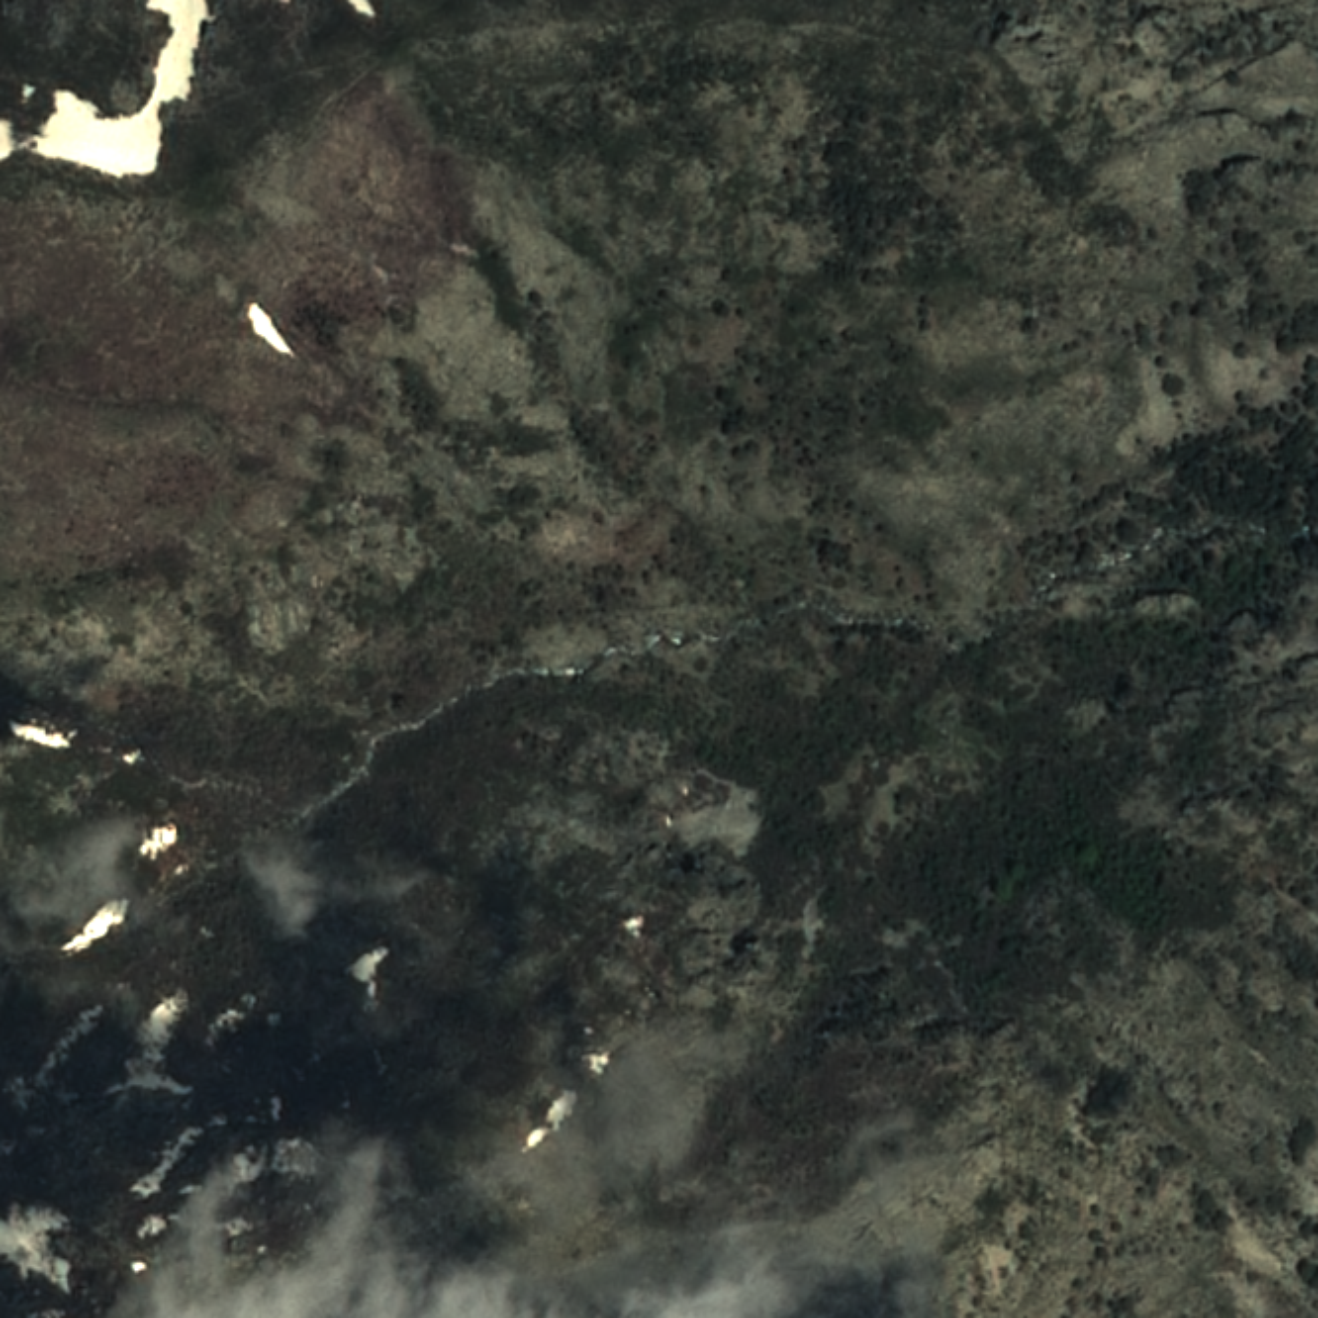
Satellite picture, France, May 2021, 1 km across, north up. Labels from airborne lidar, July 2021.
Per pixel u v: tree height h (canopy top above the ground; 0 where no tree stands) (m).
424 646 7
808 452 11
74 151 0
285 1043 8
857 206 14
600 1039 0
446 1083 0
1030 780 10
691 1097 0
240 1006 8
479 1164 0
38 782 0
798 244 0
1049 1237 0
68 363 0
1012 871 10
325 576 0
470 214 0
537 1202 0
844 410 11
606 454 11
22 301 0
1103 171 0
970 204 0
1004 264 0
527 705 6
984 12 0
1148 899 7
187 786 7
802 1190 6
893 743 6
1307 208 0
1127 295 0
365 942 0
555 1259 0
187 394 0
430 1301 17
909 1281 0
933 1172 0
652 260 0
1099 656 6
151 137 0
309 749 8
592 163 0
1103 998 0
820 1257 0
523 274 0
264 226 0
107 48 0
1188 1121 15
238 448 0
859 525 0
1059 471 0
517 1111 0
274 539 0
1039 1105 0
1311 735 0
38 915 0
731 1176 0
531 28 0
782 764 10
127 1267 0
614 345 0
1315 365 17
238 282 0
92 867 0
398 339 0
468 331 0
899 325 0
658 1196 0
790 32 0
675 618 0
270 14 0
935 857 9
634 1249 0
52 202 0
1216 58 11
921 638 11
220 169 0
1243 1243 0
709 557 9
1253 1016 8
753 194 0
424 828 6
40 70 0
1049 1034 0
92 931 7
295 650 0
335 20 0
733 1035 0
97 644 0
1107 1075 9
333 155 0
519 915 0
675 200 0
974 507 0
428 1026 8
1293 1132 9
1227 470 13
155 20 0
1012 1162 0
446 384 0
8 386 0
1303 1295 0
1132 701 20
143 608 0
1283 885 11
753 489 0
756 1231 0
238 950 8
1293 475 14
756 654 7
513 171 0
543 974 0
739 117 0
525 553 8
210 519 0
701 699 7
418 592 7
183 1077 6
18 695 0
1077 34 0
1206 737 7
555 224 0
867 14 0
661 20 0
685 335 0
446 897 8
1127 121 0
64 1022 7
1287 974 9
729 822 0
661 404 0
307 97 0
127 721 8
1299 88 0
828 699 9
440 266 0
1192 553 8
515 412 0
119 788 0
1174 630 7
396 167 0
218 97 0
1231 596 7
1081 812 7
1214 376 0
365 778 6
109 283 0
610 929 6
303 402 0
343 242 0
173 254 0
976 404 0
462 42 0
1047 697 6
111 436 0
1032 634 7
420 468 0
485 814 0
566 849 0
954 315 0
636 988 0
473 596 7
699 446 0
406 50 0
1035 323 19
